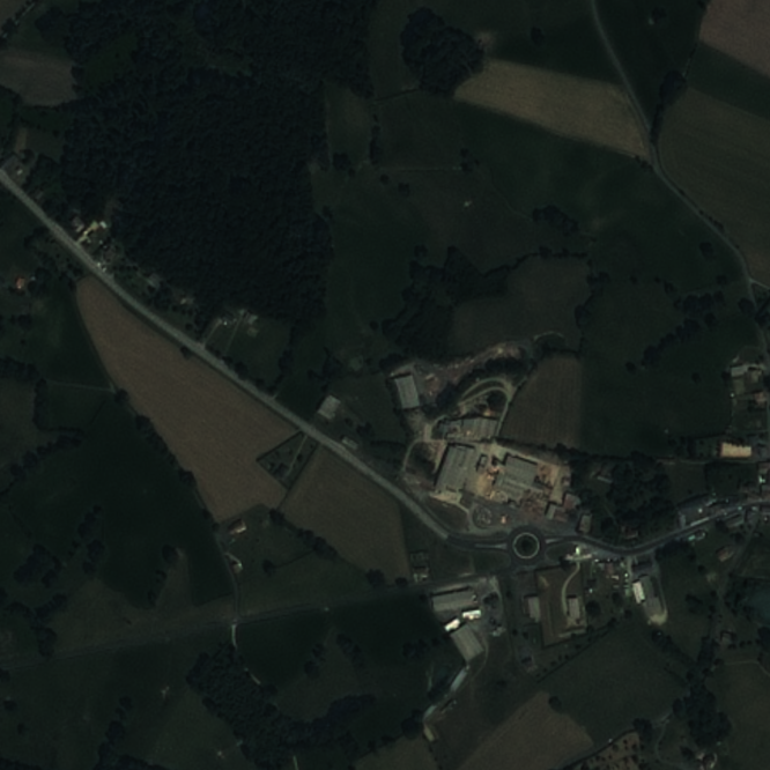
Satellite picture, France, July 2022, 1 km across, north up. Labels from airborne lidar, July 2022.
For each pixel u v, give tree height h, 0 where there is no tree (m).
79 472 0
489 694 0
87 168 25
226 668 6
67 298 0
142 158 31
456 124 0
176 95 14
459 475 0
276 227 25
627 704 0
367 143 0
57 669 0
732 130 0
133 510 0
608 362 0
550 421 0
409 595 0
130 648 0
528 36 0
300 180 24
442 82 21
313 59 22
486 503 0
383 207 0
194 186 29
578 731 0
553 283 0
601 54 0
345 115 0
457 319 0
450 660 0
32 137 0
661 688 0
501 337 0
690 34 0
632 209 0
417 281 20
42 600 0
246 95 25
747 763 0
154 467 0
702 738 16
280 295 21
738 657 0
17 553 0
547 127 0
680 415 0
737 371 0
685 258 0
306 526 0
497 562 0
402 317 9
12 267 0
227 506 0
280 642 0
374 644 0
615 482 9
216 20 19
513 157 0
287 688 0
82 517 0
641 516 12
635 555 0
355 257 0
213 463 0
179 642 0
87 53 21
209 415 0
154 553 0
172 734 0
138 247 20
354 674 0
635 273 0
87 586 0
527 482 0
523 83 0
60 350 0
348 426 9
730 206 0
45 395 14
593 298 7
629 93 0
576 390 0
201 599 0
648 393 0
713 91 0
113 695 0
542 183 0
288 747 26
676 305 10
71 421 0
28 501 0
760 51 0
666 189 0
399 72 0
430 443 0
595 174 0
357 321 0
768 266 0
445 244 0
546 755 0
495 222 0
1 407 0
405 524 0
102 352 0
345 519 0
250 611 0
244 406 0
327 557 15
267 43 21
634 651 0
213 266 21
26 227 0
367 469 0
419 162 0
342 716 29
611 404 0
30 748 0
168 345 0
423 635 0
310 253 26
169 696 0
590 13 0
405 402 0
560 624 0
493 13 0
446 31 24
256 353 0
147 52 9
